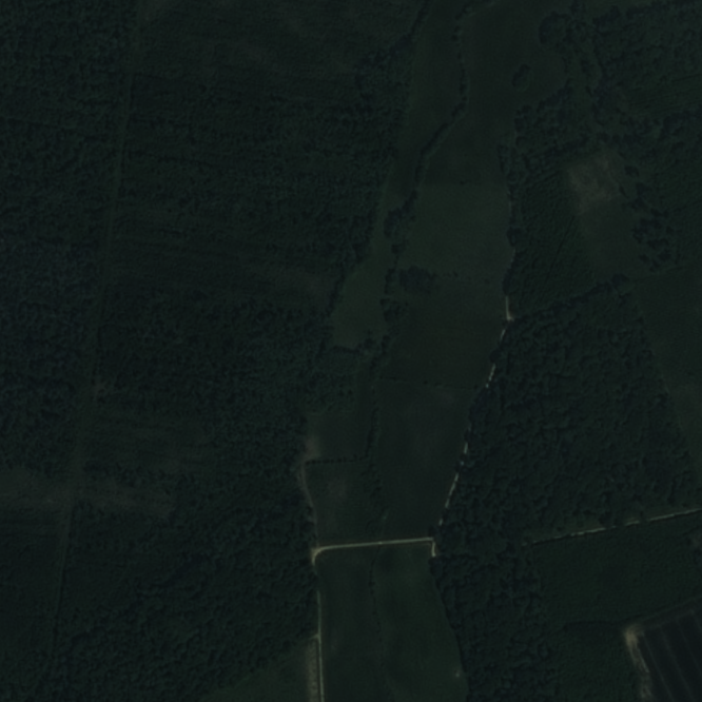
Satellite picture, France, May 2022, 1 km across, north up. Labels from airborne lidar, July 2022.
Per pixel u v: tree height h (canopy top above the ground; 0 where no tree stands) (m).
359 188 22
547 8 0
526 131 7
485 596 22
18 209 11
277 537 30
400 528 0
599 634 13
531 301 8
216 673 22
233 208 23
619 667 11
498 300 0
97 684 27
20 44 24
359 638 0
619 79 25
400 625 0
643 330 17
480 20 0
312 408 18
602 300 24
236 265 7
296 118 23
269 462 23
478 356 0
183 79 8
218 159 9
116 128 21
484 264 0
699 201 12
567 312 26
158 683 25
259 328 21
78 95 14
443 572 20
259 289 7
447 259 0
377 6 7
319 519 0
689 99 6
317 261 6
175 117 7
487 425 29
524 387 19
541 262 8
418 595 0
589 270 6
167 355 8
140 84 13
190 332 8
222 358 8
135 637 18
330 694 0
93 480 17
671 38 30
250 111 7
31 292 24
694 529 9
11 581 13
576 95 22
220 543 25
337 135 11
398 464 0
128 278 7
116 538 12
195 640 16
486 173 0
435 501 0
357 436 0
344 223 22
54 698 18
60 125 16
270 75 7
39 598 10
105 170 18
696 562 21
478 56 0
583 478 29
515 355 17
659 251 20
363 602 0
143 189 7
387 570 0
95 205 22
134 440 6
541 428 12
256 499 7
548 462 32
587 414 26
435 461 0
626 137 0
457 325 0
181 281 7
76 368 32
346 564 0
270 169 8
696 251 14
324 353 23
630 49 25
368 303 0
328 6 7
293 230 7
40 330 24
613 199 0
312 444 0
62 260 30
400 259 16
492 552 23
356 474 0
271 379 23
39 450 21
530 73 17
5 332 29
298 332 18
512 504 27
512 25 0
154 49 6
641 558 5
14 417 18
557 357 22
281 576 18
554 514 28
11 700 10
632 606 9
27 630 10
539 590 8
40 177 11
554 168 13
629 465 16
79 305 21
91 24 23
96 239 9
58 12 29
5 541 11
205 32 6
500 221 0
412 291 35
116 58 24
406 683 0
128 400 7
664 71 24
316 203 12
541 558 6
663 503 6
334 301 20
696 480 28
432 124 0
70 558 9
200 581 21
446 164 0
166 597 28
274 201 7
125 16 11
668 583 9
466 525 22
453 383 0
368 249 20
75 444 7
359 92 24
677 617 0
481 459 20
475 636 24
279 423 22
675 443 28
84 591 13
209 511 13
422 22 13
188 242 7
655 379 24
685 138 28
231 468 12
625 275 0
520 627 30
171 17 8
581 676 9
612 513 21
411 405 0
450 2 0
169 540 10
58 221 25
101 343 14
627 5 0
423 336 0
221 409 10
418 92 0
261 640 21
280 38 6
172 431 7
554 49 17
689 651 0
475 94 0
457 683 0
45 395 29
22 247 29
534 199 8
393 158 17
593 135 8
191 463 7
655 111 6
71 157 12
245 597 28
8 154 22
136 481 26
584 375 24
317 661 0
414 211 15
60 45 23
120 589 13
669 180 9
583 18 21
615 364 23
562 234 9
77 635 6
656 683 0
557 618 10
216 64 7
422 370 0
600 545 9
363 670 0
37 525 6
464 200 0
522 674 32
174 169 14
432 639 0
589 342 24
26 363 14
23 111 17
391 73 28
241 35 7
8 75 22
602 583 10
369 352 19
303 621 20
